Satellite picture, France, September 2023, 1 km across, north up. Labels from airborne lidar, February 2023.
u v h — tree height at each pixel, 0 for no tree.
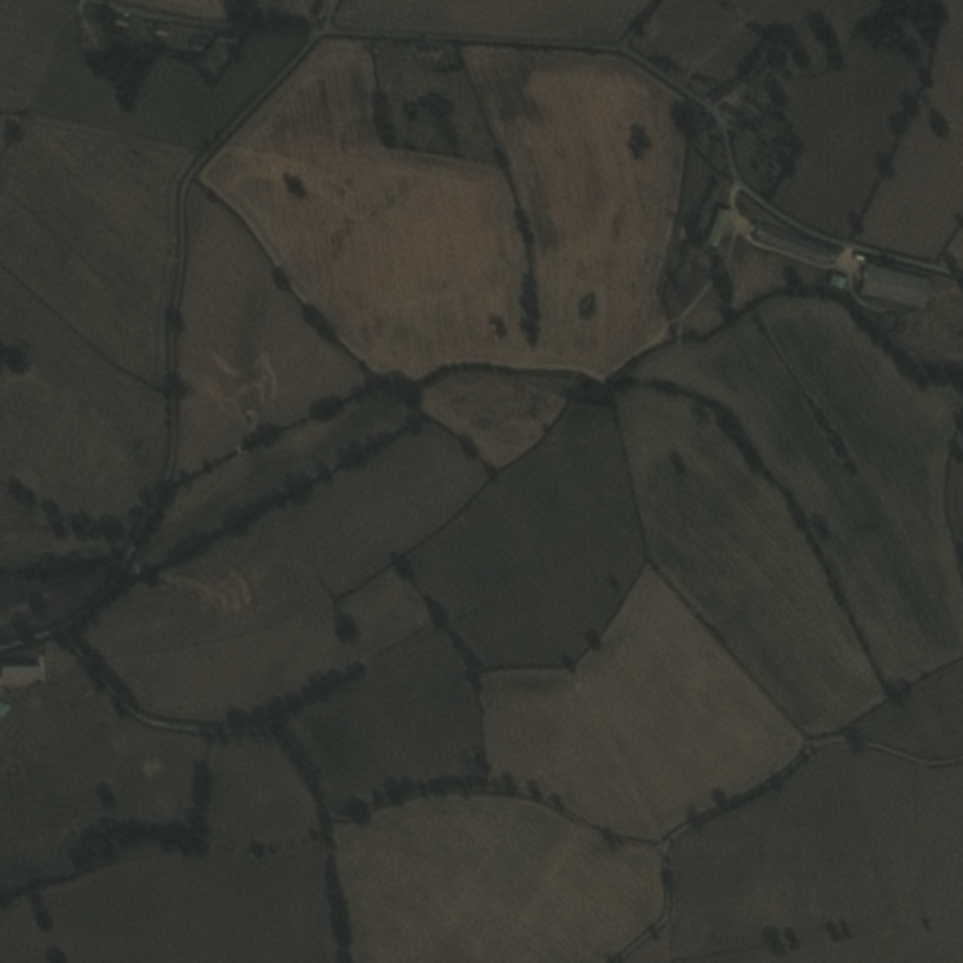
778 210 0
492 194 0
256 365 0
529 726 0
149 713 0
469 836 0
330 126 0
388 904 0
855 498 0
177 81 0
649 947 0
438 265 0
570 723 0
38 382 0
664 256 0
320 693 18
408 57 0
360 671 10
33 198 0
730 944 0
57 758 0
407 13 0
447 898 0
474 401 0
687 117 16
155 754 0
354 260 0
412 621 0
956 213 0
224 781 0
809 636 0
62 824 0
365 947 0
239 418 0
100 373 0
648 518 0
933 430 0
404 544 0
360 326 0
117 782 0
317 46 0
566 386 0
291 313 0
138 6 0
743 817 0
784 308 0
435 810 0
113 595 12
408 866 0
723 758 0
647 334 0
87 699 0
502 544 0
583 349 0
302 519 0
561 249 0
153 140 0
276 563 0
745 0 0
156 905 0
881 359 0
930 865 0
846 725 0
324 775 0
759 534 0
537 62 0
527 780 0
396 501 0
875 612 0
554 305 0
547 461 0
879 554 0
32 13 0
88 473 0
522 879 0
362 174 0
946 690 0
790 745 0
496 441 0
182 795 0
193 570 0
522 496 0
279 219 0
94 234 0
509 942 0
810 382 0
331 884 13
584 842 0
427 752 0
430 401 0
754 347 0
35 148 0
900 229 0
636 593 0
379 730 0
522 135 0
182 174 0
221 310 0
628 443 0
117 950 0
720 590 0
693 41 0
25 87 0
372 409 0
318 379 0
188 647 0
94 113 0
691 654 0
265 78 0
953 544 0
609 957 0
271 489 0
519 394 0
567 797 0
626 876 0
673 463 12
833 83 0
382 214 0
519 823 0
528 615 0
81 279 0
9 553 0
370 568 0
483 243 0
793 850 0
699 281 0
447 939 0
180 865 0
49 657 0
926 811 0
